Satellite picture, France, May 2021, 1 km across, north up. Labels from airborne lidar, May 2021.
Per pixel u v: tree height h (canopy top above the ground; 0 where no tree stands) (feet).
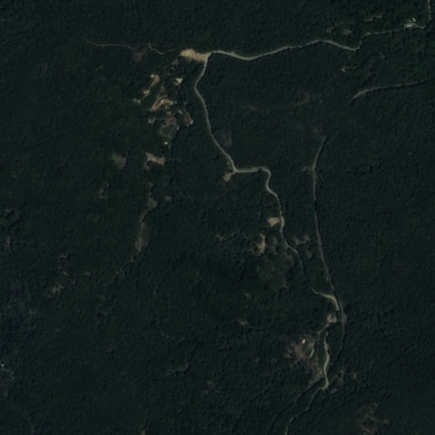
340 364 47
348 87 42
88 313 38
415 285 61
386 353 36
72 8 35
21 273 19
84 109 32
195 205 44
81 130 53
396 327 46
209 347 51
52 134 43
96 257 55
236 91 32
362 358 28
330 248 30
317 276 33
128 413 63
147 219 52
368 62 36
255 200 67
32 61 32
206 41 43
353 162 58
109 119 55
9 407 68
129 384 38
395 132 50
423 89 58
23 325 21
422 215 34
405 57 63
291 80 23
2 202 28
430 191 32
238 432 55
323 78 26
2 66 22
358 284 46
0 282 55
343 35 39
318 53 39
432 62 52
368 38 32
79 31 32
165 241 31
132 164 48
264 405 47
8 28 63
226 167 46
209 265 49
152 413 43
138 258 43
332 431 37
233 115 20
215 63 27
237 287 42
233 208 33
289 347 43
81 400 42
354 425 47
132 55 20
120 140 52
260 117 35
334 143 32
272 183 26
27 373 57
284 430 45
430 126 42
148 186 35
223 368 45
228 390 56
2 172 46
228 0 53
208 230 41
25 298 33
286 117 21
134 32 38
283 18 59
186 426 55
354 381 50
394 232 40
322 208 68
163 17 26
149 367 69
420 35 55
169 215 56
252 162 26
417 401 32
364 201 48
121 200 43
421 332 50
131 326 42
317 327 60
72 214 39
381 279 38
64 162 29
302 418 39
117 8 28
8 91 37
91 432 54
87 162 49
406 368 31
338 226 45
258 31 42
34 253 37
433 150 42
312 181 24
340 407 44
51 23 42
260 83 30
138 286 58
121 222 47
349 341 38
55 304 44
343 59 49
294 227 56
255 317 69
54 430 49
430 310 57
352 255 32
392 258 37
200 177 50
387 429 52
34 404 60
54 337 30
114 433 46
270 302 43
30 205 61
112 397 55
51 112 35
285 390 81
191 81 55
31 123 43
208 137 52
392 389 44
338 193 38
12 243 38
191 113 22
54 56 30
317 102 22
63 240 50
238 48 31
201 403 54
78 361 37
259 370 42
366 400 53
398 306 45
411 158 40
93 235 47
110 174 50
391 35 26
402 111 53
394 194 40
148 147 69
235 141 31
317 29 53
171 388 51
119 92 52
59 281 45
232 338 65
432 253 58
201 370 58
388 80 36
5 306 26
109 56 21
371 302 76
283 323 69
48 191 41
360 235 49
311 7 60
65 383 65
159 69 28
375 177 45
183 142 35
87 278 55
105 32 31
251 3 52
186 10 61
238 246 23
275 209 54
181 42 39
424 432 42
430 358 42
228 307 46
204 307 45
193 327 56
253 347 60
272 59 37
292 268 33
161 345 50
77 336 24
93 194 46
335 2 63
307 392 44
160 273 35
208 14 48
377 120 48
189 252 61
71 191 39
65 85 35
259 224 47
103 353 53
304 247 52
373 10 46
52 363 35
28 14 53
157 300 39
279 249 53
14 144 35
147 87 26
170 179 25
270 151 28
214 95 50
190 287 53
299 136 26
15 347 22
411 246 33
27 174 52
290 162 28
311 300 64
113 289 67
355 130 44
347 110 26
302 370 25
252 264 53
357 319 54
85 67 31
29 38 53
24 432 52
